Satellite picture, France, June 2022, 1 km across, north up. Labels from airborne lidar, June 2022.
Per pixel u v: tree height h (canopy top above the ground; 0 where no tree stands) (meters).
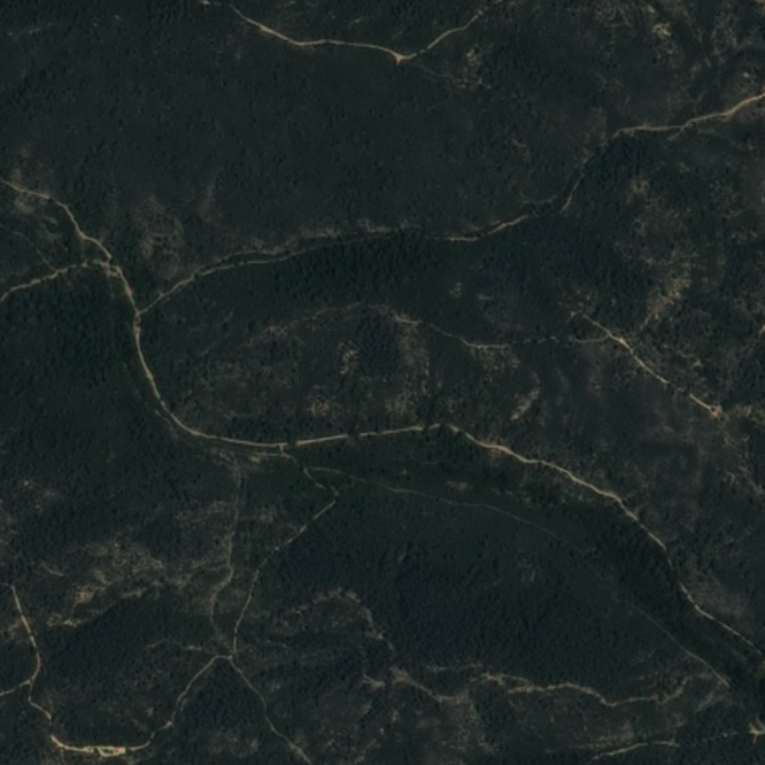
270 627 5
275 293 8
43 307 10
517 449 8
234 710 15
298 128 7
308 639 14
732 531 6
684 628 11
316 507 9
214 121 8
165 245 7
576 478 0
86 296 7
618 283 10
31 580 10
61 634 14
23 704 7
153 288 7
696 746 12
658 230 0
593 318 7
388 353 13
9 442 6
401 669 9
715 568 12
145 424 11
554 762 15
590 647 15
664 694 8
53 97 7
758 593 10
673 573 8
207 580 0
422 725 0
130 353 8
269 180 7
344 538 9
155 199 0
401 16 12
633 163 16
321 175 8
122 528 10
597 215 12
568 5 10
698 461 0
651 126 0
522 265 15
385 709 13
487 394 10
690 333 7
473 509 0
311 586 13
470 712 0
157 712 13
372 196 9
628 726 0
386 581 16
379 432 13
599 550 8
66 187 8
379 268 7
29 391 8
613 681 14
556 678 6
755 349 12
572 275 14
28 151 0
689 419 0
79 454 7
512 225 6
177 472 15
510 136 7
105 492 14
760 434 7
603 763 12
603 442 0
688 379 9
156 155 9
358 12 8
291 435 13
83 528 18
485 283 9
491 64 10
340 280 6
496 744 11
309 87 9
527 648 18
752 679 7
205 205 0
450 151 10
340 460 6
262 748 6
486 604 15
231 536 0
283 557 10
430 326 7
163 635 11
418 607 13
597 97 8
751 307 9
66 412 8
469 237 12
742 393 8
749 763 13
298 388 7
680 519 9
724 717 11
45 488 8
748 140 12
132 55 9
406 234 11
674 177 6
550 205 9
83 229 7
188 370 6
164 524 12
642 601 8
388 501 7
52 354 10
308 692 15
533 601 12
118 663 12
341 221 9
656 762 12
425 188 9
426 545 6
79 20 6
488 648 15
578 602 13
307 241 6
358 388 13
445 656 11
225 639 0
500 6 9
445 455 11
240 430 11
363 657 14
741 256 11
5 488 9
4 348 12
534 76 15
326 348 6
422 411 10
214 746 0
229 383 0
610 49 11
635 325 11
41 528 15
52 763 0
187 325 6
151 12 12
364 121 7
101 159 9
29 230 10
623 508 6
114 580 0
